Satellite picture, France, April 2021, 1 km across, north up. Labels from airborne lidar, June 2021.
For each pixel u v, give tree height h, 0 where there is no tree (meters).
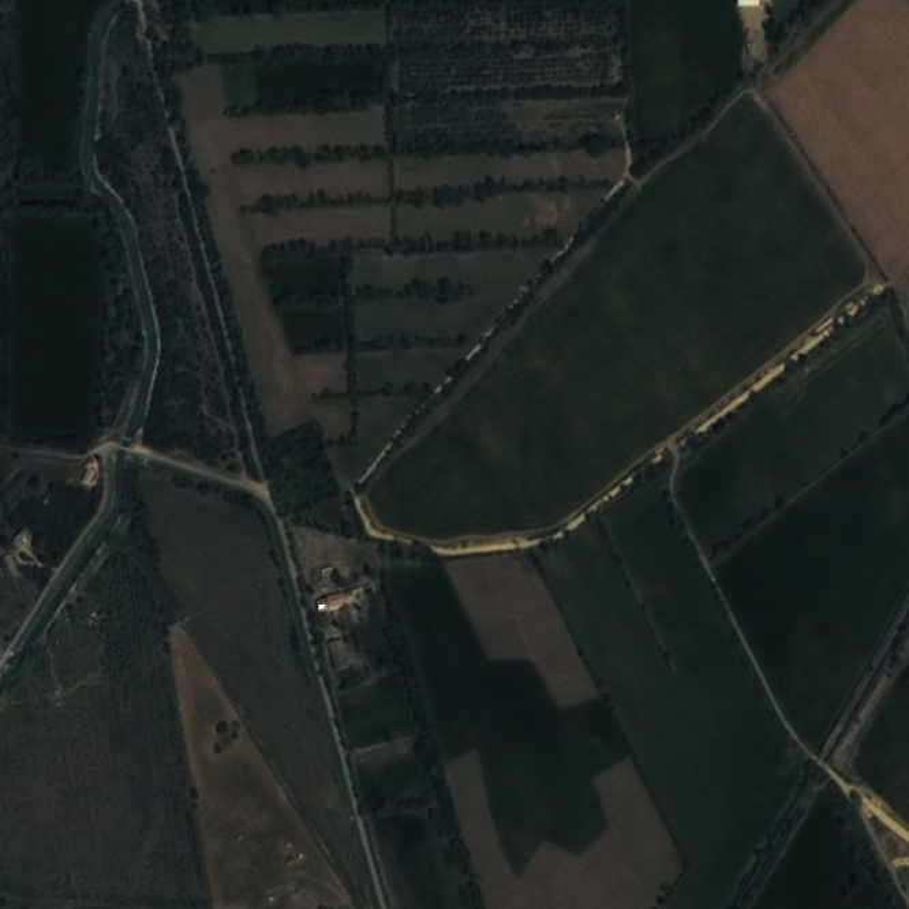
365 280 0
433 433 0
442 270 0
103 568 7
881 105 0
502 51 9
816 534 0
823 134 0
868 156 0
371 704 0
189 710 0
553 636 0
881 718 0
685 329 0
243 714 0
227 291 12
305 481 0
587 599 0
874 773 0
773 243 0
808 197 0
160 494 0
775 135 0
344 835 0
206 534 0
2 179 12
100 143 9
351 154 12
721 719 0
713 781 0
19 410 0
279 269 0
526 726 0
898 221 0
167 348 7
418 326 0
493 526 0
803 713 0
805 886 0
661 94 0
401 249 16
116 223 6
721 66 0
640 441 0
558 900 0
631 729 0
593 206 0
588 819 0
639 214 0
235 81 0
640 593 0
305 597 9
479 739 0
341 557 0
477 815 0
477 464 0
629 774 0
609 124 0
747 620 0
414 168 0
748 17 0
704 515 0
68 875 0
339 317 0
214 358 0
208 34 0
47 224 0
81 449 6
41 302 0
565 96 8
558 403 0
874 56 0
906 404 8
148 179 0
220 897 0
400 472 0
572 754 0
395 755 0
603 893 0
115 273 11
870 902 0
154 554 9
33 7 0
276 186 0
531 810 0
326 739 0
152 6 7
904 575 0
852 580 0
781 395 0
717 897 0
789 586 0
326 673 11
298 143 0
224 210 0
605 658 0
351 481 0
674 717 0
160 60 7
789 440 0
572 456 0
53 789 0
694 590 0
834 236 0
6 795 0
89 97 8
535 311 0
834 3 0
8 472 0
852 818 11
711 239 0
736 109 0
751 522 12
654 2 0
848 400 0
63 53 0
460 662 0
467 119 7
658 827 0
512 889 0
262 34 0
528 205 0
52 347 0
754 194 0
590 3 9
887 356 0
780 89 0
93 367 0
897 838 0
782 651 0
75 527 6
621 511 0
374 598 17
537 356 0
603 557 0
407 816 0
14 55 16
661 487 0
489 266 0
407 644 9
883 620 0
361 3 10
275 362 0
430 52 10
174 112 7
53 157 0
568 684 0
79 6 0
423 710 7
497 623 0
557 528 0
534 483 0
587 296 0
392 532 0
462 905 0
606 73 6
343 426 0
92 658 0
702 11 0
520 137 0
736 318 0
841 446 0
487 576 0
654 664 0
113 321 13
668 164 0
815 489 0
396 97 11
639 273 0
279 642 0
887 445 0
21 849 0
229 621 0
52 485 7
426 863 0
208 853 0
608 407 0
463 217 0
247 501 8
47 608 0
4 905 11
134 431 0
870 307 6
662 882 0
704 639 0
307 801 0
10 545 10
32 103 0
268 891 0
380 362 0
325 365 0
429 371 0
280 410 0
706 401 0
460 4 9
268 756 0
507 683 0
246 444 7
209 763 0
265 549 0
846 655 0
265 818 0
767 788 0
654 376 0
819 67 0
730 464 0
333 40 0
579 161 0
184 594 0
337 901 0
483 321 0
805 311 0
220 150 0
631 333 0
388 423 0
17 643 0
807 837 0
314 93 0
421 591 0
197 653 0
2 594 0
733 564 0
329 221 0
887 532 0
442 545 0
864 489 0
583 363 0
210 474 0
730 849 0
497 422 0
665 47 0
